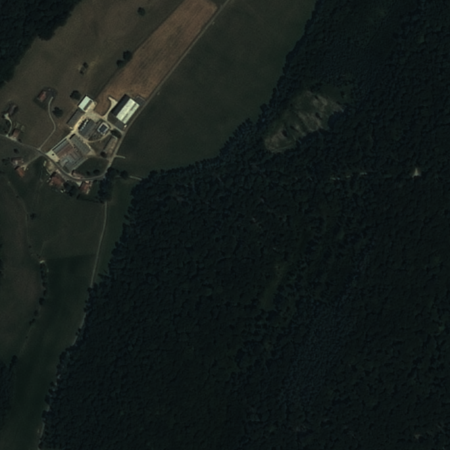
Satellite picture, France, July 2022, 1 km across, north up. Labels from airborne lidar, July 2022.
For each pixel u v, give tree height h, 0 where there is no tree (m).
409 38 30
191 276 24
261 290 24
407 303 31
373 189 24
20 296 0
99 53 0
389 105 22
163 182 21
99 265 0
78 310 0
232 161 28
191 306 32
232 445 17
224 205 28
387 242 23
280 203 29
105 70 0
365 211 24
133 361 26
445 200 30
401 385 29
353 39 8
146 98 0
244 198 36
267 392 19
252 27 0
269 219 29
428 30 33
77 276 0
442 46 31
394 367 33
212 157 0
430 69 25
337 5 20
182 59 0
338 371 31
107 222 0
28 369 0
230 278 30
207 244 34
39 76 0
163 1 0
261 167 21
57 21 27
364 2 6
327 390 30
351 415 29
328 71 17
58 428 29
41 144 0
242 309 36
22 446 0
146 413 27
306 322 26
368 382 28
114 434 26
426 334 33
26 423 0
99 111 0
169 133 0
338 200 13
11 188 0
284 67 0
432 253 21
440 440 31
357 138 26
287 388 25
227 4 0
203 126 0
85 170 0
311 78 17
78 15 0
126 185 0
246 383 22
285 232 30
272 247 31
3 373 28
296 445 30
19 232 0
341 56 15
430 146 31
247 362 32
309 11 0
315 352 30
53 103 0
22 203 0
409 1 10
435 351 32
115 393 24
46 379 0
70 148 0
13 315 0
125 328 20
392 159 15
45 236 0
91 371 22
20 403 0
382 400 30
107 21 0
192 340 31
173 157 0
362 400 29
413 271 23
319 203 22
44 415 0
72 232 0
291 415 32
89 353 20
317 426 31
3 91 0
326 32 21
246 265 29
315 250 29
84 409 21
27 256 0
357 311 23
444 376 25
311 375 31
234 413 16
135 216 19
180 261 31
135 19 0
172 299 30
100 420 30
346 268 7
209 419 23
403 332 31
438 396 30
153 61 0
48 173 0
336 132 28
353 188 21
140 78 0
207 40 0
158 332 28
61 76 0
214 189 28
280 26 0
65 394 23
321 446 28
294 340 27
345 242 6
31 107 0
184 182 22
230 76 0
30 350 0
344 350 26
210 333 27
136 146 0
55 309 0
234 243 31
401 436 26
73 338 0
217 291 30
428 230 26
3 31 20
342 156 26
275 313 8
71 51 0
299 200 34
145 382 25
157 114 0
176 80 0
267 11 0
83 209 0
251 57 0
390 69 17
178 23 0
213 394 18
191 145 0
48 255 0
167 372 26
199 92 0
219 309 26
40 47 0
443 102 20
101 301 25
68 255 0
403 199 22
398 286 25
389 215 23
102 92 0
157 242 28
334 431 28
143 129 0
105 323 24
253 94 0
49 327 0
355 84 15
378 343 28
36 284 0
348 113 27
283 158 22
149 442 18
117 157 0
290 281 17
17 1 28
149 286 33
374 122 15
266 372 25
